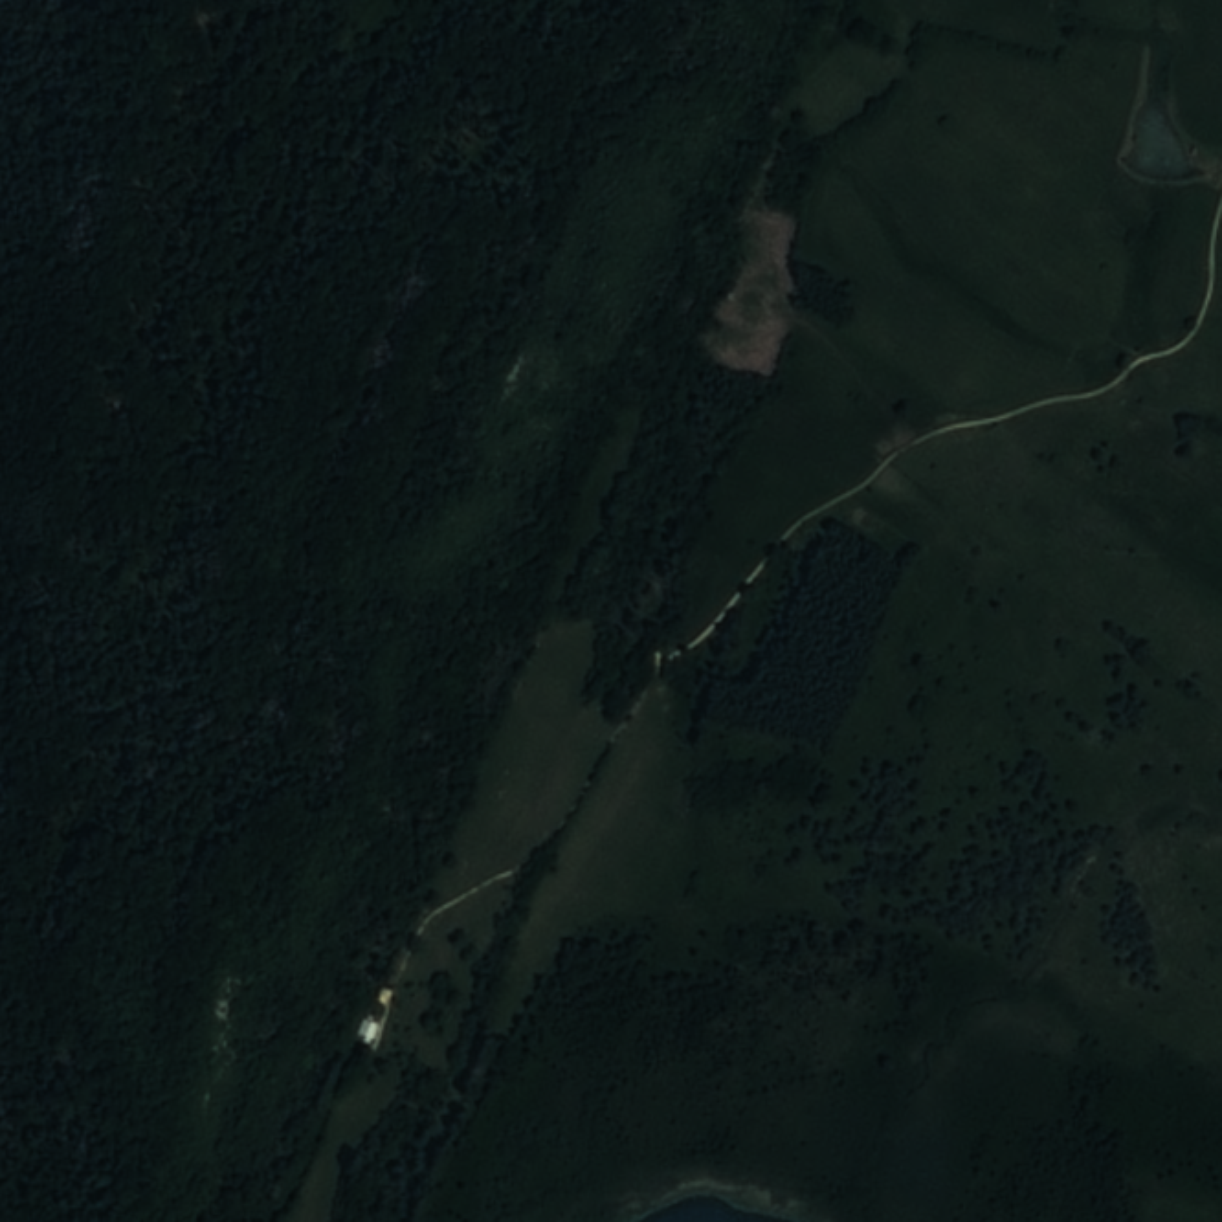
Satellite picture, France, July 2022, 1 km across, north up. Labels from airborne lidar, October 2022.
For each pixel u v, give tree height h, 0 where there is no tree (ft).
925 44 25
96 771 95
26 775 89
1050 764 23
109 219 75
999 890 33
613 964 48
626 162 26
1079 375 0
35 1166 30
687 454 77
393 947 53
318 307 90
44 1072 79
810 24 60
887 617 71
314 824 39
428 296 103
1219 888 0
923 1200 0
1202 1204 0
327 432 66
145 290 92
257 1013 28
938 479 0
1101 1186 27
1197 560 0
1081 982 0
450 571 24
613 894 0
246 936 38
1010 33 0
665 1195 0
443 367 49
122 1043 33
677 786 0
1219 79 0
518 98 103
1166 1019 0
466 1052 72
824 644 87
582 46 81
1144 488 0
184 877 66
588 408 30
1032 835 38
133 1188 72
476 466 28
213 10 79
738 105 34
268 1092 24
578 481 58
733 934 21
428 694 75
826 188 0
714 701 84
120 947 45
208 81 89
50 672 58
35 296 85
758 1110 0
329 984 30
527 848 0
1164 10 0
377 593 41
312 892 32
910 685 0
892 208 0
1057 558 0
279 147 52
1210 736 0
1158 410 0
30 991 64
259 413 99
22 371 94
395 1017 0
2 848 94
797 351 22
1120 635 36
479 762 80
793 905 0
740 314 0
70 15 88
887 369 0
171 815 69
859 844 28
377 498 50
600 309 27
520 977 0
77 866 85
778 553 48
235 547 39
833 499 0
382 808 44
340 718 26
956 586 0
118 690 79
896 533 0
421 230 63
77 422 50
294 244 60
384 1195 49
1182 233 0
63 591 83
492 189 94
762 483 0
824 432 0
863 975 34
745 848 0
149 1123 57
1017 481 0
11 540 81
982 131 0
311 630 53
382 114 83
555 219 53
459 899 0
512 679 24
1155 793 0
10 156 96
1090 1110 36
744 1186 0
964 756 0
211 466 102
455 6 42
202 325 79
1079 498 0
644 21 73
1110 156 0
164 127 78
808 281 76
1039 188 0
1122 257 0
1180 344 0
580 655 0
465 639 78
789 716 66
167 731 73
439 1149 97
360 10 0
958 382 0
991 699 0
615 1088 23
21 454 82
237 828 90
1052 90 0
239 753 66
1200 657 0
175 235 68
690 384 52
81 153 92
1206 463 0
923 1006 50
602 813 0
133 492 77
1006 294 0
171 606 29
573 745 0
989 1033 0
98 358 60
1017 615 0
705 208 69
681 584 69
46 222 87
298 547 62
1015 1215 20
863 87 0
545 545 88
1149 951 34
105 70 77
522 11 41
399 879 27
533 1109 0
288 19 65
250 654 54
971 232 0
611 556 45
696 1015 17
